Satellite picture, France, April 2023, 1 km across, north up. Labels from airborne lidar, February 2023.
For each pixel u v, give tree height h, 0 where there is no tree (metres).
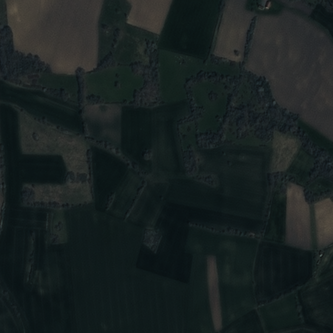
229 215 0
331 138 0
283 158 0
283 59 0
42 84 0
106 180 0
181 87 0
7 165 0
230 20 0
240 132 7
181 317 0
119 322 0
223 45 0
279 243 0
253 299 0
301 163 0
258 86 7
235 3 0
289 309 0
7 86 0
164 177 0
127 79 0
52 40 0
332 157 10
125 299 0
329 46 0
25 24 0
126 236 0
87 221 0
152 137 0
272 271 0
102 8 0
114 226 0
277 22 0
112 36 0
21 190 0
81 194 0
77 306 0
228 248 0
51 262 0
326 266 0
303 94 0
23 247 0
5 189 11
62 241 0
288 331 0
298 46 0
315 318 0
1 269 0
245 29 0
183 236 0
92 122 0
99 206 0
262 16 0
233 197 0
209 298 0
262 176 0
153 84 11
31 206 9
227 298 0
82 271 0
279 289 0
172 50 0
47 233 0
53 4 0
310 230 0
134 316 0
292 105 0
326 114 0
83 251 0
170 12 0
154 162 0
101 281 0
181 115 0
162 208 0
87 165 7
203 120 0
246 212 0
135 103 13
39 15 0
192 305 0
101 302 0
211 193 0
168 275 0
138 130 0
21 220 0
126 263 0
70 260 0
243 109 9
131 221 0
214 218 0
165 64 0
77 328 0
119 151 11
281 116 18
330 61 0
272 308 0
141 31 0
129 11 0
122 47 0
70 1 0
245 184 0
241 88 0
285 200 0
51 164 0
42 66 18
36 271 0
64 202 0
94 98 15
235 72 0
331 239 0
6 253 0
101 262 0
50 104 0
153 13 0
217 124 0
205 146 13
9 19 0
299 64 0
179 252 0
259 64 0
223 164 0
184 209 0
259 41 0
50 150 0
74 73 0
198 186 0
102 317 0
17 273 0
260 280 0
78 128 0
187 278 0
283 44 0
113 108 0
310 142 10
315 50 0
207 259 0
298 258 0
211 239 0
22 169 0
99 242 0
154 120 0
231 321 0
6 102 0
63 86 0
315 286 0
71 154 0
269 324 0
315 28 0
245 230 0
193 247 0
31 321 0
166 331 0
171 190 0
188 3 0
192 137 0
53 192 0
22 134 0
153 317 0
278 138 0
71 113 0
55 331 0
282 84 0
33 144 0
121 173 0
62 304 0
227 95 0
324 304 0
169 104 0
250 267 0
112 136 0
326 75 0
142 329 0
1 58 20
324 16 0
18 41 0
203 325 0
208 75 9
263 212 0
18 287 0
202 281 0
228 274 0
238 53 12
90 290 0
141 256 0
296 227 0
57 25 0
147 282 0
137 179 0
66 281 0
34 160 0
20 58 10
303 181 0
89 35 0
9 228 0
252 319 0
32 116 0
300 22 0
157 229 0
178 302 0
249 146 0
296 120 8
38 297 0
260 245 0
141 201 0
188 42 0
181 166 0
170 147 0
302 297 0
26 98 0
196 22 0
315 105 0
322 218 0
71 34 0
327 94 0
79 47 0
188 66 0
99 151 0
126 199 0
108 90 0
